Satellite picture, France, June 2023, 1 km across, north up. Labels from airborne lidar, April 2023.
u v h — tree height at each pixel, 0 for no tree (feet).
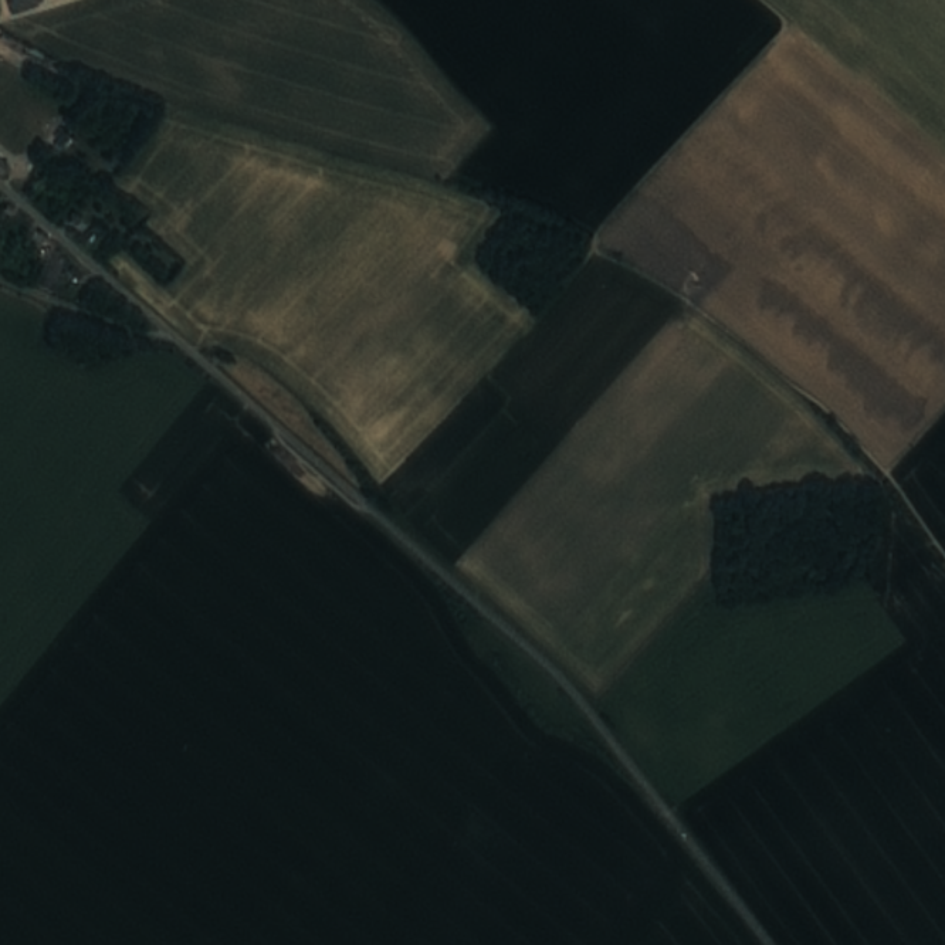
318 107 0
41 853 0
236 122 0
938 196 0
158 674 0
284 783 0
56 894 0
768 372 0
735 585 49
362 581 0
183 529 0
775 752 0
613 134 0
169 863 0
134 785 0
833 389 0
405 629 0
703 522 0
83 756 0
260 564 0
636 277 0
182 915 0
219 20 0
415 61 0
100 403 0
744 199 0
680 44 0
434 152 0
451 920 0
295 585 0
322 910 0
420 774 0
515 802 0
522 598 0
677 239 0
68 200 29
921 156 0
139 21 0
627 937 0
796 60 0
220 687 0
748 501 62
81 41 0
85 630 0
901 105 0
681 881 0
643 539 0
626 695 0
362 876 0
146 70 0
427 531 0
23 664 0
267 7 0
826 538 72
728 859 0
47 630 0
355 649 0
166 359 0
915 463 0
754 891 0
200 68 0
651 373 0
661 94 0
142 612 0
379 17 0
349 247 0
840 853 0
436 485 0
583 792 0
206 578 0
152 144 0
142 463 0
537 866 0
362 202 0
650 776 0
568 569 0
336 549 0
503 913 0
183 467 0
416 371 0
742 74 0
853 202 0
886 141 0
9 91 0
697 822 0
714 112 0
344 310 0
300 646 0
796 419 0
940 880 0
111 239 30
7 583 0
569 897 0
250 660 0
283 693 0
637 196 0
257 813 0
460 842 0
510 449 0
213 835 0
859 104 0
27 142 0
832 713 0
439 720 0
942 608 0
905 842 0
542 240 72
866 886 0
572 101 0
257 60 0
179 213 0
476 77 0
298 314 0
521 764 0
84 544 0
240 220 0
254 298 0
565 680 0
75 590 0
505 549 0
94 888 0
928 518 0
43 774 0
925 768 0
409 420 0
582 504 0
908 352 0
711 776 0
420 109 0
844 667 0
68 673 0
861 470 0
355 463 23
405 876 0
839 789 0
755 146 0
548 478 0
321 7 0
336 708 0
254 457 0
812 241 0
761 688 0
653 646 0
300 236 0
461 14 0
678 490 0
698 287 0
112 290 27
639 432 0
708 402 0
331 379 0
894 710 0
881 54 0
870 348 0
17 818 0
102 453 0
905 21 0
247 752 0
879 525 41
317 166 0
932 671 0
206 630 0
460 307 0
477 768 0
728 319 0
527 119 0
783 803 0
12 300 0
